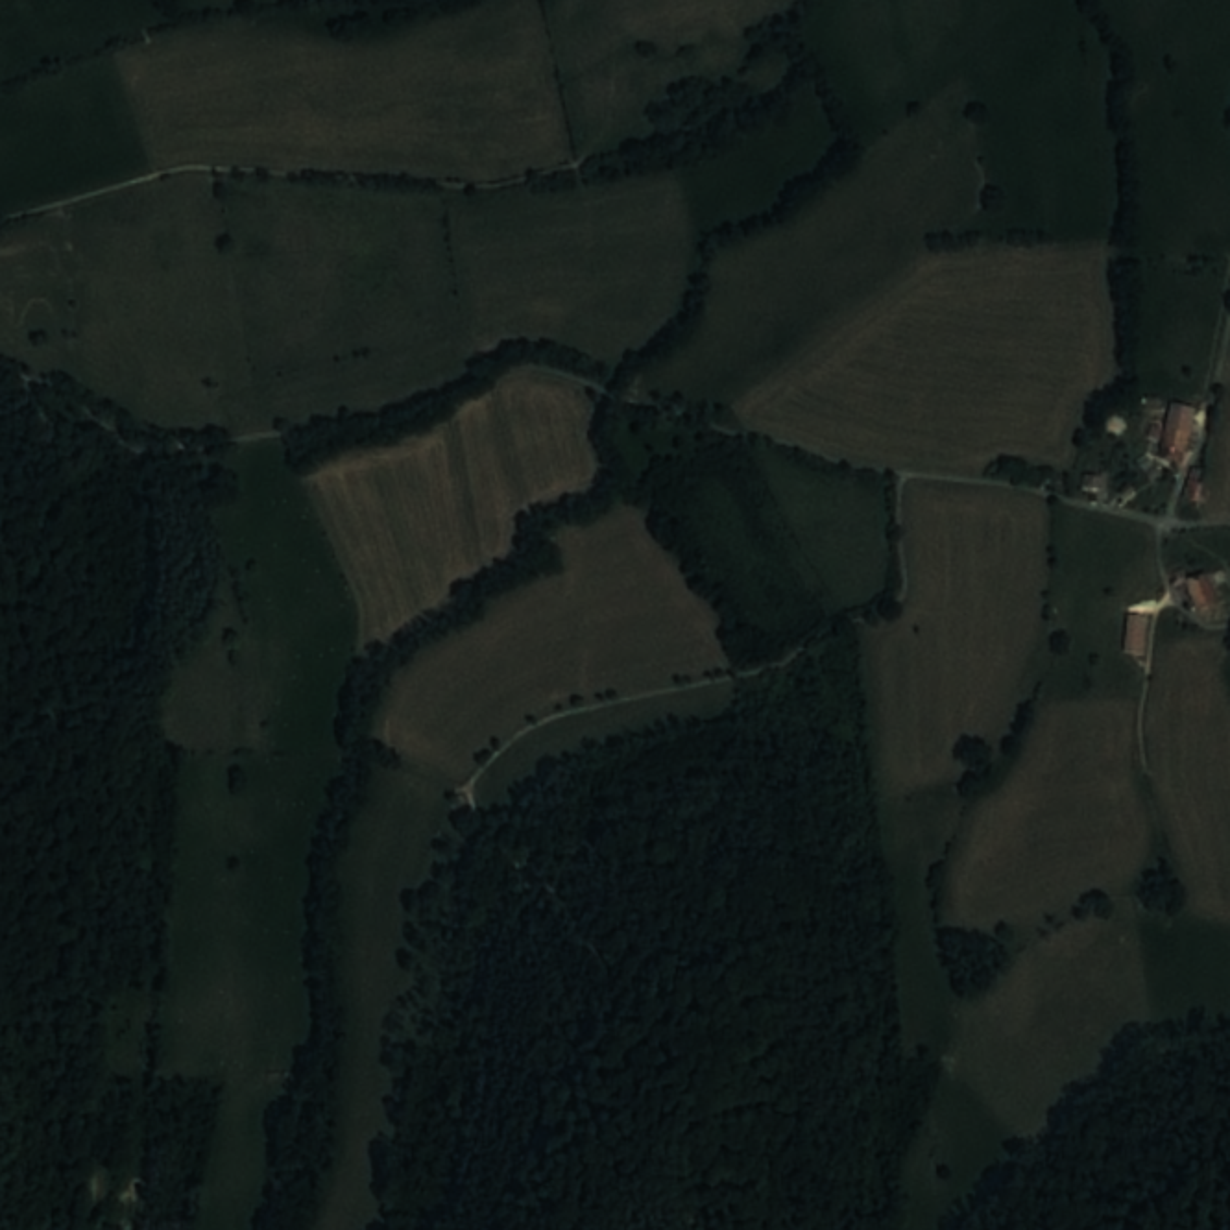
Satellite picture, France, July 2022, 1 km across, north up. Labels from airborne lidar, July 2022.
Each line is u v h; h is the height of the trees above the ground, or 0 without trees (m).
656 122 25
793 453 8
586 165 8
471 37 0
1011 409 0
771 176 0
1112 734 0
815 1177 21
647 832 27
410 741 0
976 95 0
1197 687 0
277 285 0
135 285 0
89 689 29
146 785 23
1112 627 0
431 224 0
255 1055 0
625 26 0
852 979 25
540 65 0
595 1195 32
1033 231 6
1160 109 0
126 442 19
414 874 0
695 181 0
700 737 9
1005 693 0
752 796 23
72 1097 26
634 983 27
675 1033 30
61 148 0
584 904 15
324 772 0
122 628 8
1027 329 0
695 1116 32
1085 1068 0
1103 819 0
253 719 0
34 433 25
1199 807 0
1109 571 0
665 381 0
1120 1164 30
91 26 0
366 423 15
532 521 19
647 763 11
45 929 30
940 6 0
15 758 14
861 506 0
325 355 0
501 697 0
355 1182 0
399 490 0
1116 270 18
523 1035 21
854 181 0
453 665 0
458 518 0
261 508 0
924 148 0
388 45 0
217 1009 0
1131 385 20
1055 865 0
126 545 14
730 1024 33
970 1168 0
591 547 0
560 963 20
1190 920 0
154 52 0
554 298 0
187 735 0
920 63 0
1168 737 0
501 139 0
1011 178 0
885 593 7
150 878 13
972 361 0
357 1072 0
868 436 0
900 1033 16
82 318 0
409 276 0
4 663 13
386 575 0
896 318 0
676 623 0
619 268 0
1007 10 0
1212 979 0
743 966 27
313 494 0
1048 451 0
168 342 0
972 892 0
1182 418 0
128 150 0
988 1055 0
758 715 16
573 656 0
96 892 15
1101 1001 0
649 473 8
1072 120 0
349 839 21
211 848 0
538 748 0
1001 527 0
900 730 0
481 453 0
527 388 0
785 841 19
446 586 0
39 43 0
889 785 0
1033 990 0
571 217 0
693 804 26
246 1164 0
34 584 15
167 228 0
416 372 0
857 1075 15
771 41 9
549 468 0
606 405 20
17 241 0
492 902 19
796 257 0
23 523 31
